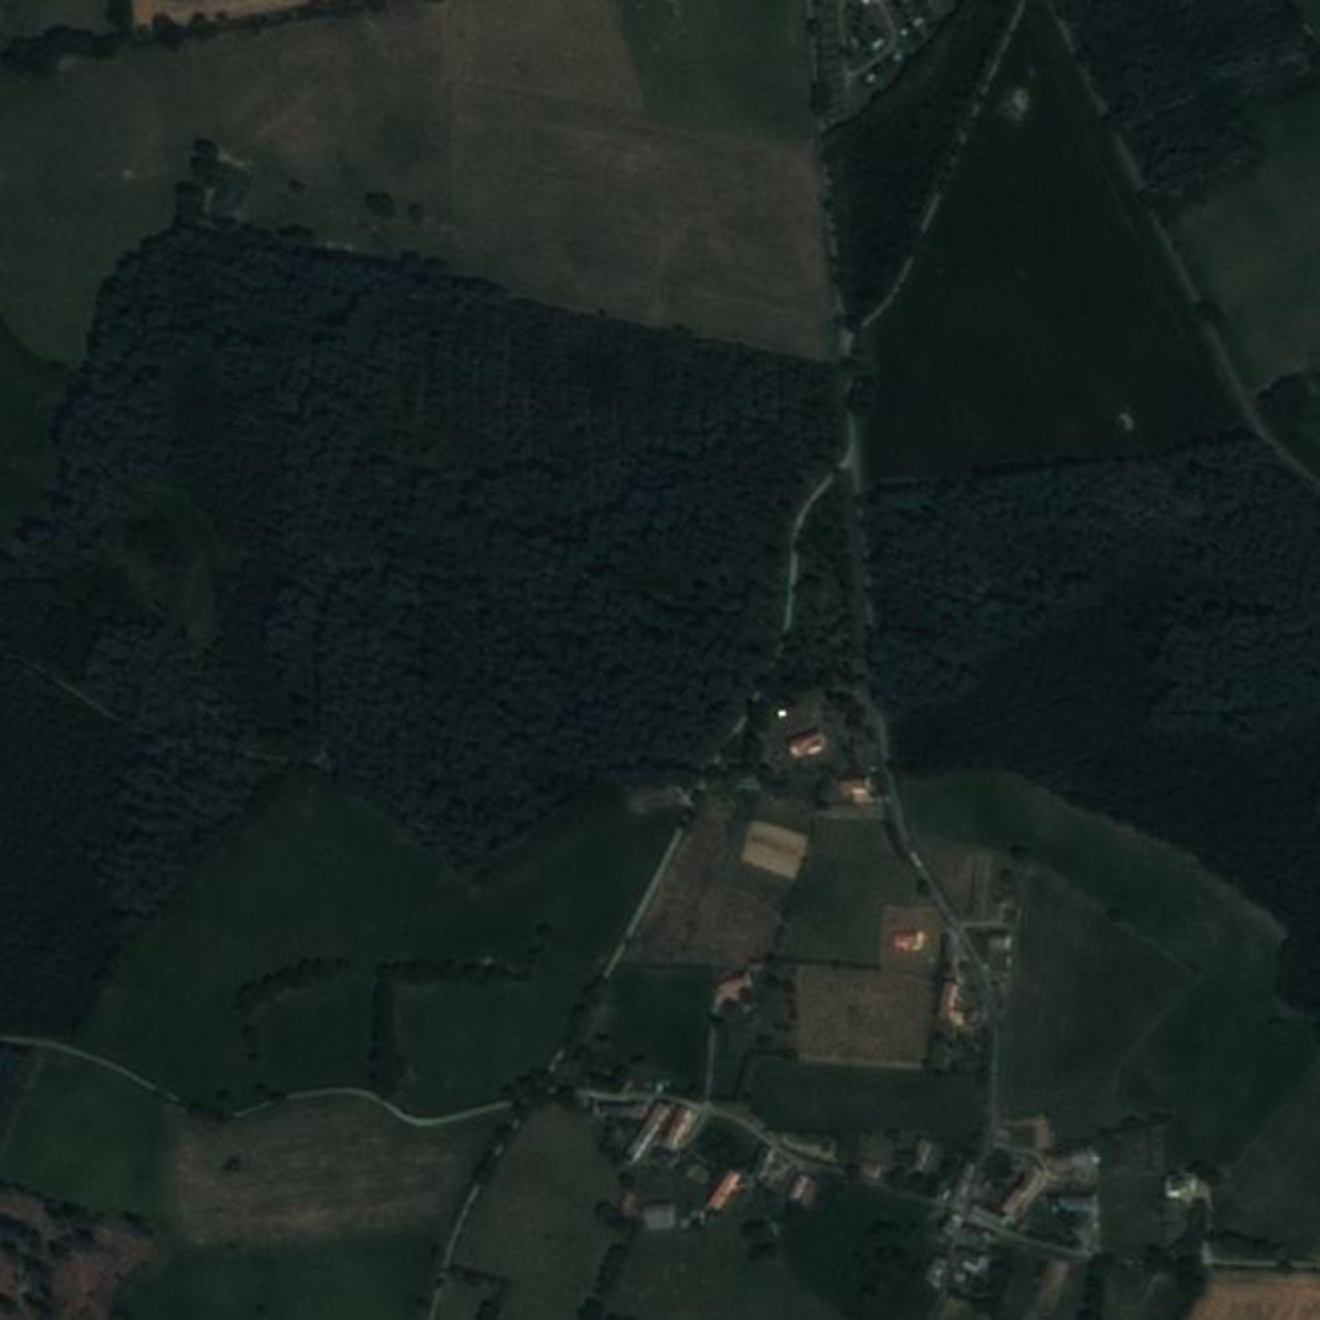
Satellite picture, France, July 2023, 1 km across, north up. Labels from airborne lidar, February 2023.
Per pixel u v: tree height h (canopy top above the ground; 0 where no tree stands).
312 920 0
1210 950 0
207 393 16
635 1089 0
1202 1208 15
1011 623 31
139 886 35
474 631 22
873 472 0
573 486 31
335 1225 0
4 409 0
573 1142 0
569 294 0
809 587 11
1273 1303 0
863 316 15
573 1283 0
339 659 30
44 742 11
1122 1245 0
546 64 0
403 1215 0
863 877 0
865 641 0
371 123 0
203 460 23
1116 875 0
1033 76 0
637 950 0
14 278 0
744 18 0
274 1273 0
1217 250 0
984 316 0
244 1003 9
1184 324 0
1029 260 0
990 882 0
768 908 0
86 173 0
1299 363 0
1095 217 0
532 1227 0
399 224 0
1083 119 0
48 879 12
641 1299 0
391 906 0
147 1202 0
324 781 8
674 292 0
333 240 0
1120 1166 0
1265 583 33
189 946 0
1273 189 0
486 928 0
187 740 20
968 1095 0
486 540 34
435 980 13
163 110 0
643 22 0
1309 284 0
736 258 0
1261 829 6
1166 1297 0
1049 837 0
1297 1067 0
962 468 0
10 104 0
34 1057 22
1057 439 0
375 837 0
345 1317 0
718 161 0
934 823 0
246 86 0
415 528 36
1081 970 0
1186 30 23
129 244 0
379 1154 0
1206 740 9
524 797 35
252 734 24
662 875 0
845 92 0
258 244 21
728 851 0
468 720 29
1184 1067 0
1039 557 7
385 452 26
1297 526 37
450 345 9
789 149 0
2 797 13
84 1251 7
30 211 0
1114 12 25
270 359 28
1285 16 17
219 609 6
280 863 0
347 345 34
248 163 0
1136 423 0
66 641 8
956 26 17
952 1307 0
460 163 0
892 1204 0
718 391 10
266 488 22
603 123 0
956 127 9
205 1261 0
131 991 0
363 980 0
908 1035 0
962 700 32
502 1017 0
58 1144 0
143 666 24
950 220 0
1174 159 20
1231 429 0
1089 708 11
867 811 0
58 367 12
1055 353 0
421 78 0
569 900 0
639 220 0
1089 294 0
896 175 6
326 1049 0
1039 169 0
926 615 7
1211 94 17
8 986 10
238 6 0
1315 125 0
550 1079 12
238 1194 0
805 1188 0
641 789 14
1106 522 36
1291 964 11
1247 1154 0
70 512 35
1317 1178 0
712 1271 0
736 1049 0
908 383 0
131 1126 0
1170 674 33
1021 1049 0
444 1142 0
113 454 38
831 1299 0
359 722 30
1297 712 35
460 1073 0
